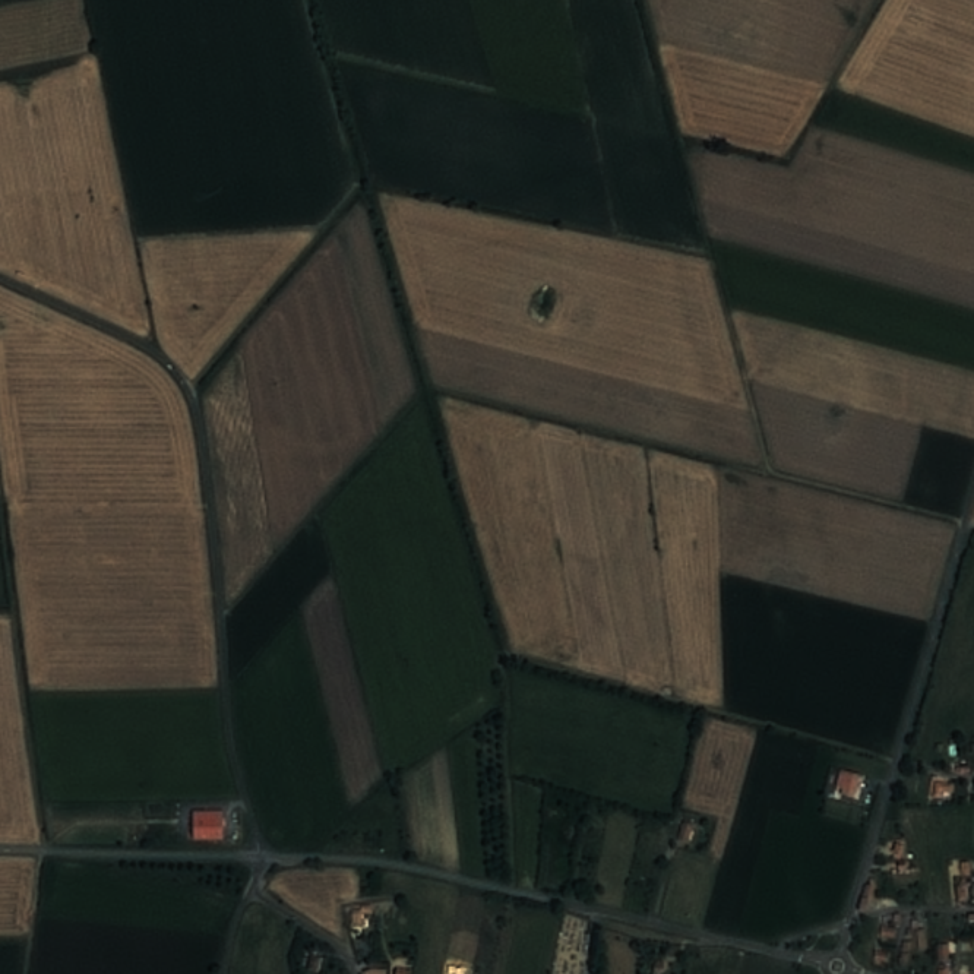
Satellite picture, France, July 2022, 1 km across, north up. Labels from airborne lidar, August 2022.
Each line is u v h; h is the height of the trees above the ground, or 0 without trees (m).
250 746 0
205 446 0
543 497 0
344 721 0
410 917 0
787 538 0
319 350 0
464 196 0
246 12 0
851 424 0
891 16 0
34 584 0
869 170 0
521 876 0
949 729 0
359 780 0
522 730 0
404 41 0
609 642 0
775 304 0
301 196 0
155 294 0
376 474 0
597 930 11
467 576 0
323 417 0
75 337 0
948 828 0
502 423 0
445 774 0
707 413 0
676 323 0
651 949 10
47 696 0
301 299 0
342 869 0
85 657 0
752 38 0
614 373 0
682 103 0
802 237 0
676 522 0
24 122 0
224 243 0
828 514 0
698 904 0
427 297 0
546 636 0
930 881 0
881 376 0
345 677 0
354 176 0
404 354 0
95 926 0
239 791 0
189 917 0
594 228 0
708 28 0
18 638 0
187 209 0
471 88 0
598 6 0
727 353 0
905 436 0
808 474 0
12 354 0
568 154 0
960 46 0
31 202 0
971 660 0
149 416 0
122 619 0
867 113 0
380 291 0
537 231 0
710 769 0
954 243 0
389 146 0
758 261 0
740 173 0
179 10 0
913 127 0
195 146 0
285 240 0
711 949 0
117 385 0
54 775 0
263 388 0
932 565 0
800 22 0
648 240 0
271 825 0
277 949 0
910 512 0
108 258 0
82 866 0
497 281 0
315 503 0
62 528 0
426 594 0
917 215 0
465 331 0
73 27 0
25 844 0
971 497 0
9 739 0
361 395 0
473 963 0
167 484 0
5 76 0
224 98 0
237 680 0
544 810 6
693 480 0
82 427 0
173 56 0
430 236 0
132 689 0
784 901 0
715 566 0
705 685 0
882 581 0
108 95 0
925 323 0
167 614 0
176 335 0
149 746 0
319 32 10
